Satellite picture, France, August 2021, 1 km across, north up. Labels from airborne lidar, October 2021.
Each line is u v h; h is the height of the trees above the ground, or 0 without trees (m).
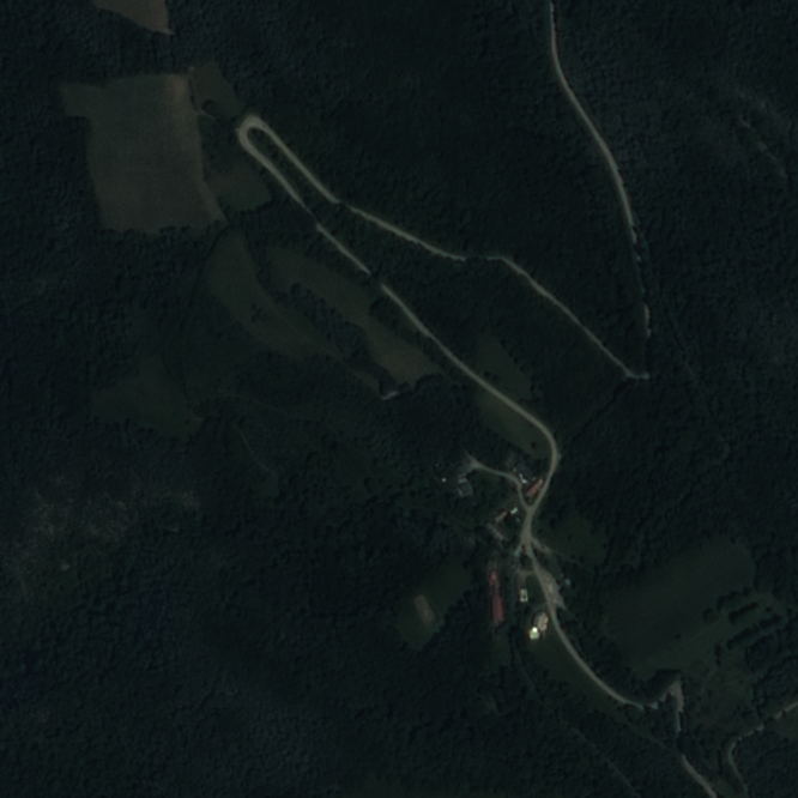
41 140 19
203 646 16
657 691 15
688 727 10
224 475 24
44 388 22
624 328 15
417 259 15
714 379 9
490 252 18
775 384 16
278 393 15
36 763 25
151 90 0
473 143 24
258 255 7
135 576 13
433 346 16
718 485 12
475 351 13
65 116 9
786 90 16
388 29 21
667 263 19
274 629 16
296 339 0
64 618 28
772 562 24
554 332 24
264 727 9
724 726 0
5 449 15
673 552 11
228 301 0
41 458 7
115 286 10
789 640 9
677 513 11
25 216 15
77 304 20
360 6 26
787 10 18
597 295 23
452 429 16
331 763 12
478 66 22
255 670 20
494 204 30
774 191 13
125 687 10
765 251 14
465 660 19
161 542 22
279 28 23
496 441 10
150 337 6
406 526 29
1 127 11
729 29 9
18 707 11
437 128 18
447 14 23
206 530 25
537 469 8
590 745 10
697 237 10
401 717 33
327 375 9
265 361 6
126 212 0
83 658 20
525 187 27
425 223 16
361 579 10
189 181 0
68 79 9
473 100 24
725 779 13
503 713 19
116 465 13
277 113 18
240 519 20
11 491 11
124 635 22
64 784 22
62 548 13
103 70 7
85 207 10
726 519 14
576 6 13
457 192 18
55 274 6
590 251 22
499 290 18
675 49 17
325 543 11
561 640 0
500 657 0
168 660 11
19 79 17
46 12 12
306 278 0
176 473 13
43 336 20
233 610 26
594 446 11
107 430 8
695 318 16
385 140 27
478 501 6
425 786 16
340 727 25
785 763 15
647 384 18
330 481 7
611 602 0
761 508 23
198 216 0
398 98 13
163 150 0
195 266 9
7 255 15
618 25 7
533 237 22
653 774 10
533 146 25
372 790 0
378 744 28
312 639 14
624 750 14
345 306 0
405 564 9
